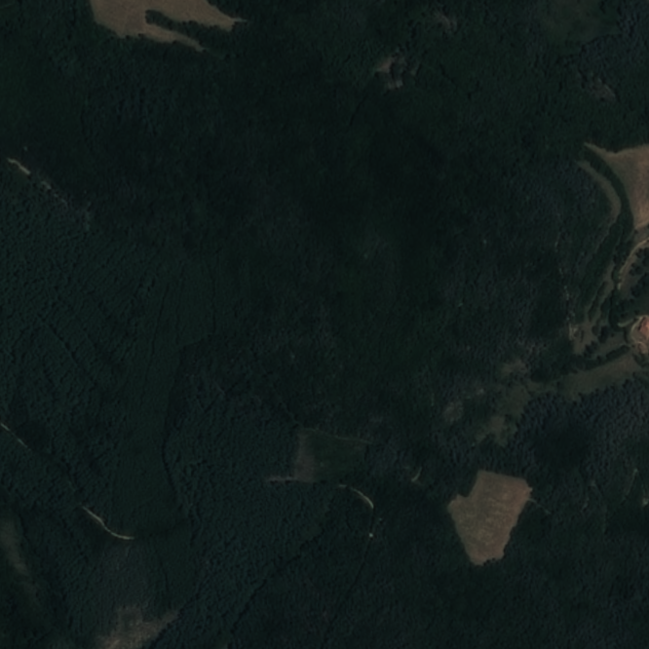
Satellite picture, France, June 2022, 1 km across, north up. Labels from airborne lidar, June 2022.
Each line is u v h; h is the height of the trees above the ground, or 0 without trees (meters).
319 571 15
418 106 20
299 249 13
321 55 18
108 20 0
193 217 13
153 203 11
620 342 0
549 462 19
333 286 14
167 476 13
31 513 18
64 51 13
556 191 14
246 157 14
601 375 0
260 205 8
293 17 15
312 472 0
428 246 11
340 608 9
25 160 12
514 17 22
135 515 14
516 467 13
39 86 20
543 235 17
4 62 19
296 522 30
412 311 16
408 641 8
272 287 11
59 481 26
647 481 11
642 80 19
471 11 23
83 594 22
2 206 19
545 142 24
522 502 0
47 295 31
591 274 12
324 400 8
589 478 15
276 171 11
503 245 11
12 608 10
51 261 24
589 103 20
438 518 16
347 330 17
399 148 10
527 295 13
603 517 13
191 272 11
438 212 14
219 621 35
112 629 10
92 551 16
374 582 14
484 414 7
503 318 18
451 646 13
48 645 10
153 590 12
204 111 10
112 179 15
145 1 0
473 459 13
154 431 18
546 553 20
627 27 13
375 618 13
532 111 23
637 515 16
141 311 13
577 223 10
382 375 9
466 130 16
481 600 9
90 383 17
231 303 17
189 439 33
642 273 16
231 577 38
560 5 0
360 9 15
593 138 22
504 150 23
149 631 0
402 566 14
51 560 17
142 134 16
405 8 11
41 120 22
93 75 15
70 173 21
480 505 0
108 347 20
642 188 0
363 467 11
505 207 18
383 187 9
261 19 17
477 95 20
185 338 16
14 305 25
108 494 22
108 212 14
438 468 12
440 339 8
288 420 14
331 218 11
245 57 14
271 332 22
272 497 33
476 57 18
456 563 14
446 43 21
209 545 20
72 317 21
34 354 20
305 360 8
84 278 24
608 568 16
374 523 11
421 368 13
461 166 17
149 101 19
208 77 15
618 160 0
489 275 15
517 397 0
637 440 16
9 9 10
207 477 38
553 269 20
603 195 6
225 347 17
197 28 10
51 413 22
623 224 8
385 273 12
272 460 30
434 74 18
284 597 18
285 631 19
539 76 18
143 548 14
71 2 11
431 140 19
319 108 14
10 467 21
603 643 21
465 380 10
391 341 13
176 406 17
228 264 8
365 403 14
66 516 21
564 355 11
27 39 10
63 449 22
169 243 7
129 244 9
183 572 17
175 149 16
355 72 21
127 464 16
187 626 27
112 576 10
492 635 12
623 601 15
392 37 13
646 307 0
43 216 21
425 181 12
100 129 16
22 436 14
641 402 11
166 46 13
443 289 16
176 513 12
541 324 16
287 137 14
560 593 17
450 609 8
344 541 11
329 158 17
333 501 17
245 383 20
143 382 10
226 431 36
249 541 36
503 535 0
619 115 17
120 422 24
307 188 16
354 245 8
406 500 11
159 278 11
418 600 9
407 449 10
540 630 17
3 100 15
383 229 8
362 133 20
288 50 13
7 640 8
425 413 7
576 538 22
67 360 21
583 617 18
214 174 10
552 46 17
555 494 22
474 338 12
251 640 16
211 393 31
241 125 19
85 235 18
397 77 23
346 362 9
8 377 30
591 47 14
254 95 15
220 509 38
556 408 12
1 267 27
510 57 21
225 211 15
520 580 15
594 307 12
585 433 19
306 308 15
